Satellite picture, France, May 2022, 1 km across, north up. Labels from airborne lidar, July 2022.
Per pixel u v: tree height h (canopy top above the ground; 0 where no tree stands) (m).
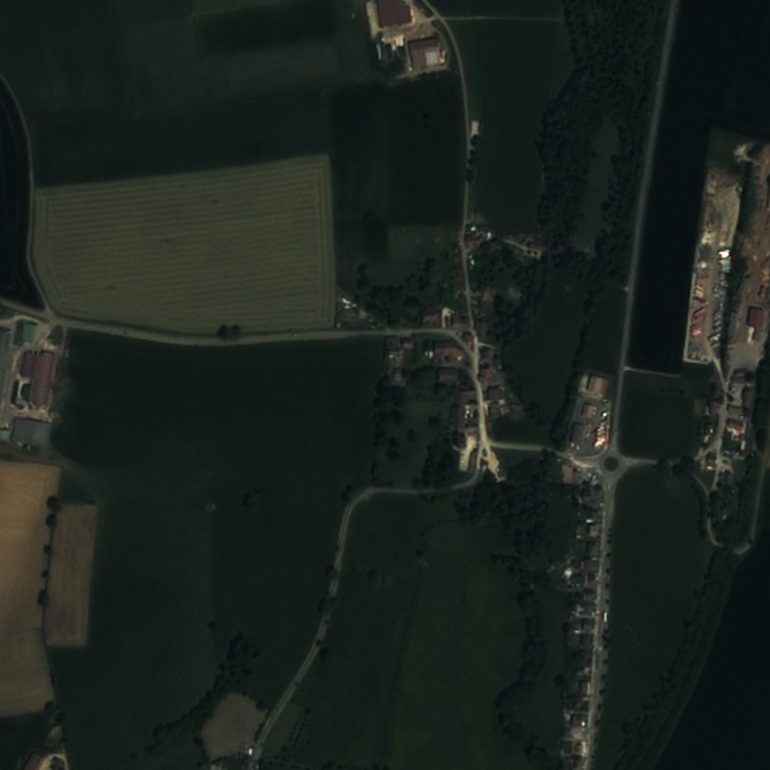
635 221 0
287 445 0
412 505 0
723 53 0
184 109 0
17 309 0
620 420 0
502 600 0
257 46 0
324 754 0
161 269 0
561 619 0
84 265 0
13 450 0
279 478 0
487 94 0
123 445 0
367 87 0
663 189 0
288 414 0
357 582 0
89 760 0
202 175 0
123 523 0
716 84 0
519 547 14
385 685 0
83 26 0
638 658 0
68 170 0
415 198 0
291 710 0
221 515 0
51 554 12
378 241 0
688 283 0
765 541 0
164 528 0
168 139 0
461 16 0
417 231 0
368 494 0
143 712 0
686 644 11
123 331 0
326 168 0
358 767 0
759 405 10
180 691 0
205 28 0
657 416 0
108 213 0
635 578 0
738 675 0
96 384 0
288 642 0
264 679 0
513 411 0
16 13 0
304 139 0
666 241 0
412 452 0
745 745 0
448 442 11
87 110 0
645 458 0
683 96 0
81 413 0
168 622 0
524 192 0
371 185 0
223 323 0
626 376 0
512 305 8
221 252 0
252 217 0
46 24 0
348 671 0
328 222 0
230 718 0
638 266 0
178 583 0
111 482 0
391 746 0
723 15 0
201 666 0
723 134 0
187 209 0
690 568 0
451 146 0
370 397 0
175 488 0
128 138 0
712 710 0
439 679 0
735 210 0
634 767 7
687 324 0
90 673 0
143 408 0
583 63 13
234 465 0
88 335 0
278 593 0
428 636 0
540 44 0
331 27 0
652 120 0
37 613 0
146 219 0
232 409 0
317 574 0
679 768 0
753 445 0
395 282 0
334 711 0
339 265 0
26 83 0
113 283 0
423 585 0
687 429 0
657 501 0
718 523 14
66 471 0
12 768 0
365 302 8
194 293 0
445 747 0
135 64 0
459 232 0
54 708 13
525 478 8
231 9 0
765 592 0
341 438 0
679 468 13
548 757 20
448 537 0
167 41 0
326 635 0
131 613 0
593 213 0
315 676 0
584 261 24
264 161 0
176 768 0
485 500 15
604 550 0
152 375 0
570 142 28
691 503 0
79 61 0
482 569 0
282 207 0
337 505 0
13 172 0
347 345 0
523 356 0
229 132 0
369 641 0
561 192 26
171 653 0
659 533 0
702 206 0
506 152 0
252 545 0
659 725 6
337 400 0
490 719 0
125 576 0
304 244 0
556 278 0
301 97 0
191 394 0
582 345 6
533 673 21
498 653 0
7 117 0
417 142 0
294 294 0
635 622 0
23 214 0
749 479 7
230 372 0
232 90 0
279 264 0
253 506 17
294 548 0
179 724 12
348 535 0
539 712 0
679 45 0
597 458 0
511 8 0
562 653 0
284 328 0
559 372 0
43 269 0
